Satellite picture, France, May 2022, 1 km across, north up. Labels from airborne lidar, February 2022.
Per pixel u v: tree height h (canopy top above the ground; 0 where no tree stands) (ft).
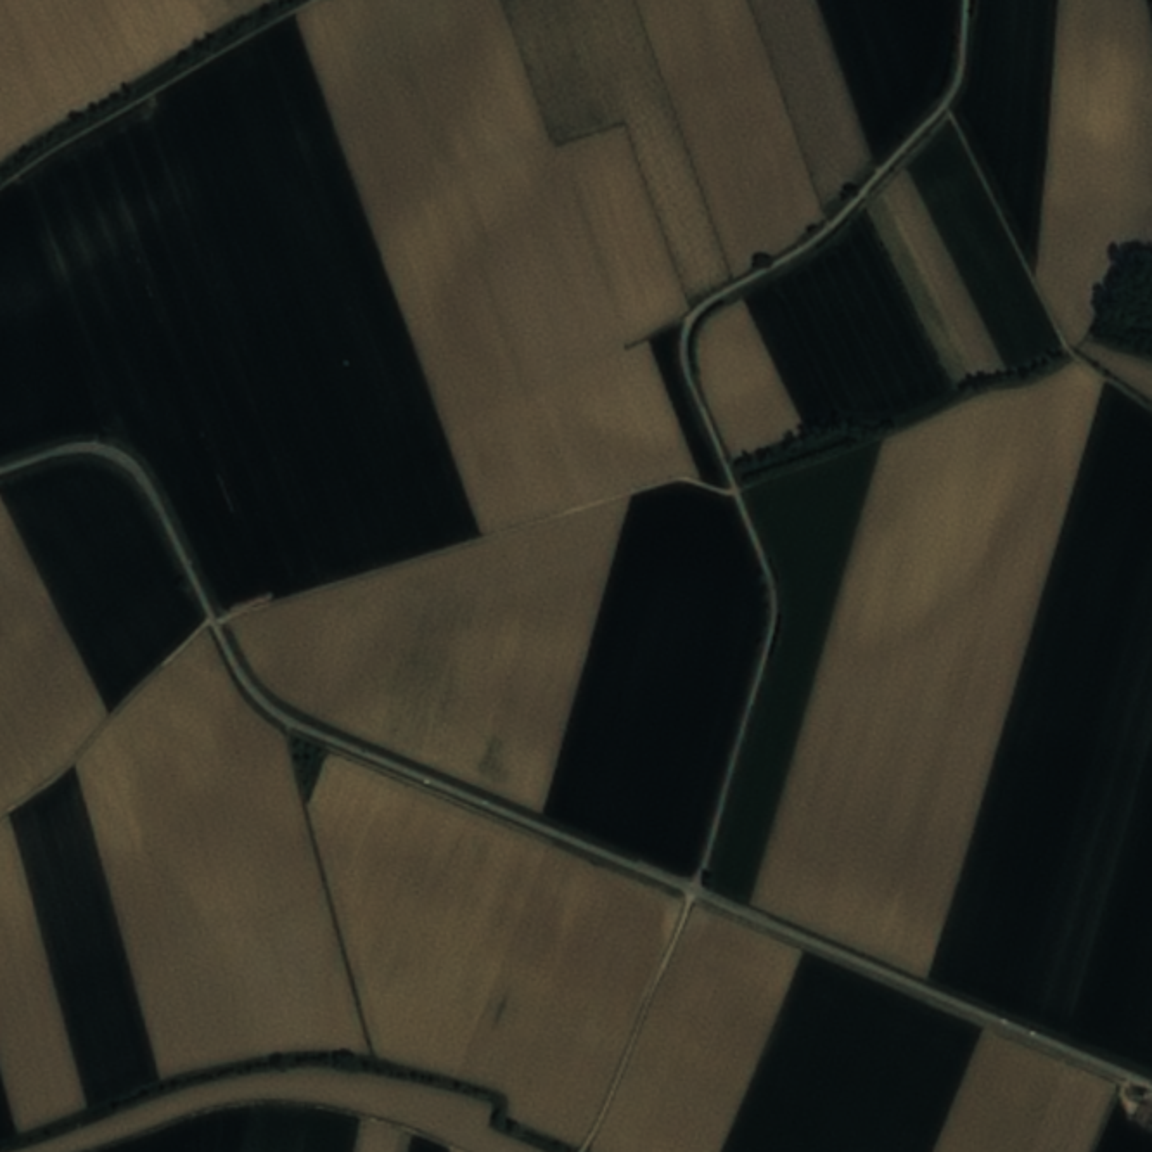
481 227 0
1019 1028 0
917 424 0
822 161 0
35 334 0
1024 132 0
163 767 0
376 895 0
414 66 0
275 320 0
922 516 0
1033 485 0
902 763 0
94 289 0
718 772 0
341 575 0
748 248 0
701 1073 0
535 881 0
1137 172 0
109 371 0
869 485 0
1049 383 0
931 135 22
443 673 0
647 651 0
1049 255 0
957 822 0
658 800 0
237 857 0
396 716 0
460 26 0
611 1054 0
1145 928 0
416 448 0
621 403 0
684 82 0
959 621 0
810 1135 0
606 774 0
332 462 0
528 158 0
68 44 0
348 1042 0
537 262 0
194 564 0
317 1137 0
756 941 0
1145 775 0
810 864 0
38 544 0
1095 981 0
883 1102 0
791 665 0
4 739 0
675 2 0
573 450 0
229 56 0
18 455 0
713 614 0
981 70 0
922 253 0
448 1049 0
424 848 0
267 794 0
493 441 0
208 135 0
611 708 0
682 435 0
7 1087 0
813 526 0
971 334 0
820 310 0
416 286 0
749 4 0
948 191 0
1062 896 0
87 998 0
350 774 0
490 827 0
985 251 0
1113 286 57
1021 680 0
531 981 0
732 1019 0
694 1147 0
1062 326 0
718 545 0
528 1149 0
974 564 0
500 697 0
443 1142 0
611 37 0
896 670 0
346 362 0
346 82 0
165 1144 0
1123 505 0
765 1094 0
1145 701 0
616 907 0
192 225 0
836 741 0
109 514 0
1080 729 0
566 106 0
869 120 0
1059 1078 0
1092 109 0
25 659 0
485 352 0
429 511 0
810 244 0
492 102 0
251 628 0
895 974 0
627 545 0
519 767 0
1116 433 0
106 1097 0
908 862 0
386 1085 0
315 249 0
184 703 0
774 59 0
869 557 0
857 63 0
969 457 0
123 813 0
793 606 0
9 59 0
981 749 0
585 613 0
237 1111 0
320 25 0
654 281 0
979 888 0
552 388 0
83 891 0
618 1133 0
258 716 0
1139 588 0
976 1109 0
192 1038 0
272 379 0
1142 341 35
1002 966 0
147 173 0
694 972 0
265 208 0
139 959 0
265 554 0
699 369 0
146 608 0
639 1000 0
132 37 0
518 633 0
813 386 0
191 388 0
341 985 0
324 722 0
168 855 0
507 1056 0
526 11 0
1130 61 0
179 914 0
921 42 0
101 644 0
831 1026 0
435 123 0
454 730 0
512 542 0
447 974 0
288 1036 0
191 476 0
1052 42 0
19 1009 0
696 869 0
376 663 0
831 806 0
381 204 0
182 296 0
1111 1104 0
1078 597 0
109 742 0
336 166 0
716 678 0
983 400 0
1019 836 0
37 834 0
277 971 0
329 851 0
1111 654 0
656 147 0
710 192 0
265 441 0
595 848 0
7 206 0
